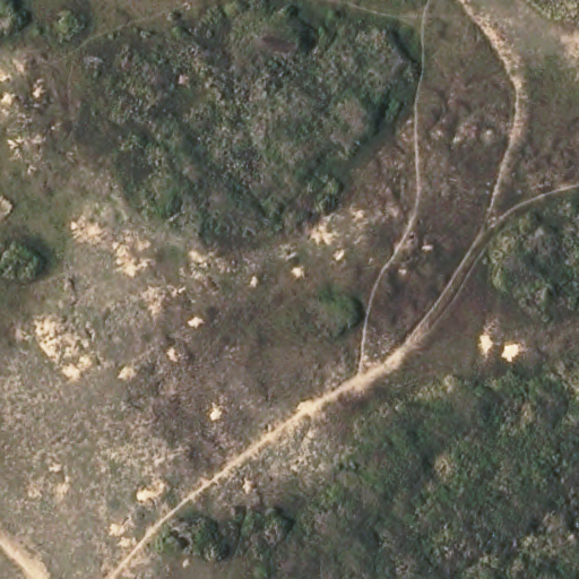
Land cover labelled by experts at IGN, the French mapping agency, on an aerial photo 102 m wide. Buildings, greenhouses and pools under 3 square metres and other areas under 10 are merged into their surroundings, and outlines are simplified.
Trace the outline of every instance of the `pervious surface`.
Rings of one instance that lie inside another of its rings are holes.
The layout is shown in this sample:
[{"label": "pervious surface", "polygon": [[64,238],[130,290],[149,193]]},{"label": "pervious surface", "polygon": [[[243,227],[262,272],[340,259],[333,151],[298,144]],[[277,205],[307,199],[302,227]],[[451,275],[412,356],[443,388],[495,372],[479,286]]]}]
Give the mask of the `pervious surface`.
[{"label": "pervious surface", "polygon": [[414,152],[414,201],[400,240],[394,244],[391,256],[382,262],[380,271],[384,274],[389,274],[389,269],[396,265],[403,251],[412,249],[412,235],[423,201],[418,145],[421,113],[416,106],[412,106],[412,118],[407,118],[398,129],[398,140],[412,145]]},{"label": "pervious surface", "polygon": [[489,36],[500,61],[504,63],[507,77],[513,84],[513,120],[509,142],[502,154],[495,185],[491,192],[491,201],[495,204],[502,195],[502,185],[509,176],[513,152],[525,129],[527,90],[522,86],[522,66],[518,52],[500,38],[500,34],[491,25],[491,18],[479,14],[479,9],[475,9],[470,0],[459,0],[468,18],[475,20]]},{"label": "pervious surface", "polygon": [[247,450],[228,457],[222,470],[201,477],[190,491],[181,493],[176,504],[170,507],[163,495],[145,502],[152,511],[158,513],[158,518],[145,529],[140,538],[120,541],[122,559],[115,568],[111,568],[106,579],[118,579],[120,574],[131,577],[133,565],[149,563],[147,554],[145,545],[176,513],[181,513],[190,504],[208,486],[215,486],[222,479],[231,477],[240,464],[244,464],[247,459],[256,459],[265,446],[274,443],[280,434],[294,432],[305,416],[314,416],[321,409],[326,403],[337,400],[344,394],[362,394],[375,378],[398,369],[403,357],[412,353],[427,335],[430,326],[421,321],[414,328],[414,332],[398,346],[391,335],[369,339],[369,328],[362,326],[360,332],[360,362],[357,373],[353,375],[344,384],[326,391],[312,400],[301,403],[292,414],[287,421],[276,423],[269,432],[262,434],[253,439]]},{"label": "pervious surface", "polygon": [[11,561],[16,561],[23,568],[27,579],[50,579],[41,561],[29,559],[18,545],[11,543],[11,538],[5,532],[0,532],[0,547]]}]

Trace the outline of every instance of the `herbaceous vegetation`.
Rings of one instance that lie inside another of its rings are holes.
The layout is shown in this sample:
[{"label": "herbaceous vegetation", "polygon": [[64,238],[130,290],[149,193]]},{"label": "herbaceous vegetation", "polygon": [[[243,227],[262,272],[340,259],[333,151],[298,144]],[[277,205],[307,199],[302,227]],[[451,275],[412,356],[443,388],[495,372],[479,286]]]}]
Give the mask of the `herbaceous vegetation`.
[{"label": "herbaceous vegetation", "polygon": [[27,579],[23,568],[16,561],[11,561],[0,547],[0,579]]},{"label": "herbaceous vegetation", "polygon": [[[362,394],[344,394],[337,400],[326,403],[321,409],[323,416],[335,425],[335,430],[339,434],[344,432],[344,443],[351,446],[351,455],[328,473],[312,475],[312,486],[305,486],[292,473],[287,479],[280,479],[274,489],[258,491],[256,507],[235,507],[235,518],[231,516],[215,520],[213,516],[197,511],[190,504],[181,513],[176,513],[145,545],[147,554],[158,552],[158,556],[152,561],[154,572],[149,579],[579,579],[579,54],[565,57],[565,45],[561,43],[561,38],[563,34],[579,34],[579,0],[470,0],[475,9],[479,9],[479,14],[491,18],[491,25],[500,34],[500,38],[518,52],[522,66],[522,86],[527,90],[525,129],[513,152],[509,176],[502,185],[502,195],[495,204],[491,201],[491,192],[495,185],[502,154],[509,142],[513,120],[513,84],[507,77],[504,63],[500,61],[489,36],[475,20],[468,18],[459,0],[23,0],[32,11],[32,23],[27,29],[11,32],[11,20],[0,18],[0,532],[5,532],[11,538],[11,543],[18,545],[29,559],[41,561],[50,579],[106,579],[111,568],[115,568],[122,559],[120,541],[140,538],[145,529],[158,518],[158,513],[152,511],[145,502],[138,500],[138,493],[147,491],[158,479],[163,479],[165,484],[163,495],[170,507],[176,504],[181,493],[190,491],[201,477],[222,470],[228,457],[247,450],[253,439],[262,434],[253,425],[251,414],[247,409],[240,409],[242,398],[260,396],[265,405],[285,407],[292,414],[301,403],[312,400],[326,391],[326,366],[346,364],[346,371],[353,375],[357,373],[360,362],[360,332],[339,339],[339,328],[353,321],[351,303],[355,299],[364,303],[362,326],[369,328],[369,339],[391,335],[398,346],[414,332],[414,328],[421,321],[430,326],[427,335],[412,353],[403,357],[398,369],[375,378]],[[308,25],[314,27],[317,45],[312,50],[301,50],[301,32]],[[373,120],[382,93],[389,95],[389,106],[380,133],[373,133],[366,124]],[[382,262],[391,256],[394,244],[400,240],[414,201],[414,152],[412,145],[398,140],[398,129],[407,118],[412,118],[412,106],[416,106],[421,113],[418,145],[423,201],[412,235],[412,249],[403,251],[396,265],[389,269],[389,274],[384,274],[380,271]],[[335,253],[328,249],[326,242],[312,240],[312,228],[321,222],[321,217],[337,213],[339,208],[357,208],[373,213],[387,204],[396,204],[398,217],[378,224],[366,224],[366,240],[362,244],[346,242],[342,260],[335,260]],[[79,217],[88,224],[100,226],[97,242],[75,240],[70,222]],[[36,258],[27,249],[18,247],[20,237],[25,235],[43,237],[61,267],[45,278],[34,276],[32,271],[36,269]],[[133,258],[133,262],[147,258],[147,269],[136,271],[133,276],[120,271],[113,253],[113,242],[122,244]],[[158,314],[152,314],[147,301],[142,299],[142,292],[149,287],[156,287],[163,296]],[[513,337],[520,328],[527,326],[543,328],[538,332],[538,339],[534,339],[527,346],[534,353],[543,348],[543,353],[534,357],[534,366],[525,366],[518,357],[504,360],[504,355],[493,346],[489,353],[482,353],[479,339],[491,317],[500,321],[500,330],[509,337]],[[54,337],[77,335],[75,355],[59,357],[63,366],[75,366],[84,355],[90,357],[90,366],[81,371],[77,380],[59,371],[54,362],[45,355],[45,351],[38,346],[36,321],[54,321]]]}]

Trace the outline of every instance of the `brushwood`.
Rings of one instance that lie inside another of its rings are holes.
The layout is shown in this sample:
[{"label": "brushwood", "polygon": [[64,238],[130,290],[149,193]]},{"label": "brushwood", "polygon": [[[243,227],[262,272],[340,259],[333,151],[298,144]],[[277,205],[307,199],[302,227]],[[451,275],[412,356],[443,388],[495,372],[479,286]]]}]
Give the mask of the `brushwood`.
[{"label": "brushwood", "polygon": [[382,93],[373,120],[366,124],[373,133],[380,133],[389,106],[389,95]]},{"label": "brushwood", "polygon": [[36,258],[36,269],[32,271],[34,276],[45,278],[61,267],[43,237],[25,235],[20,237],[18,247],[27,249]]},{"label": "brushwood", "polygon": [[308,25],[301,32],[301,50],[312,50],[317,45],[314,27]]},{"label": "brushwood", "polygon": [[32,23],[32,11],[23,0],[0,0],[0,18],[11,20],[11,32],[27,29]]}]

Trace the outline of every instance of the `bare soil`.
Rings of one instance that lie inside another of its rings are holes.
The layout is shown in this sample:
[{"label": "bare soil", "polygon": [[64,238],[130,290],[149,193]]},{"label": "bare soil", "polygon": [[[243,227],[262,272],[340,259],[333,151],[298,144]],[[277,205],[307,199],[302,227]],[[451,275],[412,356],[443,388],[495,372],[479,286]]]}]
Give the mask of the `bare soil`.
[{"label": "bare soil", "polygon": [[251,414],[253,425],[262,434],[269,432],[276,423],[287,421],[292,414],[285,407],[265,405],[260,396],[242,398],[240,409],[247,409]]},{"label": "bare soil", "polygon": [[326,366],[326,391],[344,384],[353,375],[346,371],[346,364]]},{"label": "bare soil", "polygon": [[147,301],[152,314],[158,314],[163,296],[156,287],[149,287],[142,292],[142,299]]},{"label": "bare soil", "polygon": [[479,339],[482,353],[489,353],[493,346],[504,355],[504,360],[518,357],[525,366],[534,366],[534,357],[543,353],[543,348],[534,353],[527,346],[534,339],[538,339],[538,332],[543,328],[527,326],[520,328],[513,337],[509,337],[500,330],[500,321],[491,317]]},{"label": "bare soil", "polygon": [[163,495],[165,484],[163,479],[158,479],[147,491],[138,493],[138,500],[145,502]]},{"label": "bare soil", "polygon": [[321,217],[321,222],[312,228],[312,240],[326,242],[328,249],[335,253],[335,260],[342,260],[346,242],[362,244],[366,240],[366,224],[378,224],[398,217],[396,204],[387,204],[373,213],[357,208],[339,208],[337,213]]},{"label": "bare soil", "polygon": [[579,34],[563,34],[561,38],[561,43],[565,45],[565,57],[579,54]]},{"label": "bare soil", "polygon": [[305,486],[312,486],[312,475],[328,473],[351,455],[351,446],[344,443],[344,432],[339,434],[335,430],[335,425],[323,416],[321,409],[314,416],[305,416],[294,432],[280,434],[274,443],[265,446],[256,459],[247,459],[244,464],[240,464],[231,477],[222,479],[215,486],[208,486],[190,504],[197,511],[213,516],[215,520],[231,516],[235,518],[235,507],[256,507],[258,491],[274,489],[280,479],[287,479],[292,473]]},{"label": "bare soil", "polygon": [[90,366],[90,357],[84,355],[75,366],[63,366],[59,357],[75,355],[77,335],[54,337],[54,321],[36,321],[38,346],[45,351],[45,355],[54,362],[59,371],[77,380],[81,371]]},{"label": "bare soil", "polygon": [[351,303],[353,321],[339,328],[339,339],[360,332],[362,326],[364,303],[355,299]]},{"label": "bare soil", "polygon": [[70,222],[75,240],[97,242],[100,226],[88,224],[79,217]]},{"label": "bare soil", "polygon": [[120,574],[118,579],[149,579],[154,572],[152,561],[158,556],[158,552],[147,554],[149,563],[133,565],[131,577]]},{"label": "bare soil", "polygon": [[122,244],[113,242],[113,253],[120,271],[133,276],[136,271],[147,269],[147,258],[133,262],[133,258]]}]

